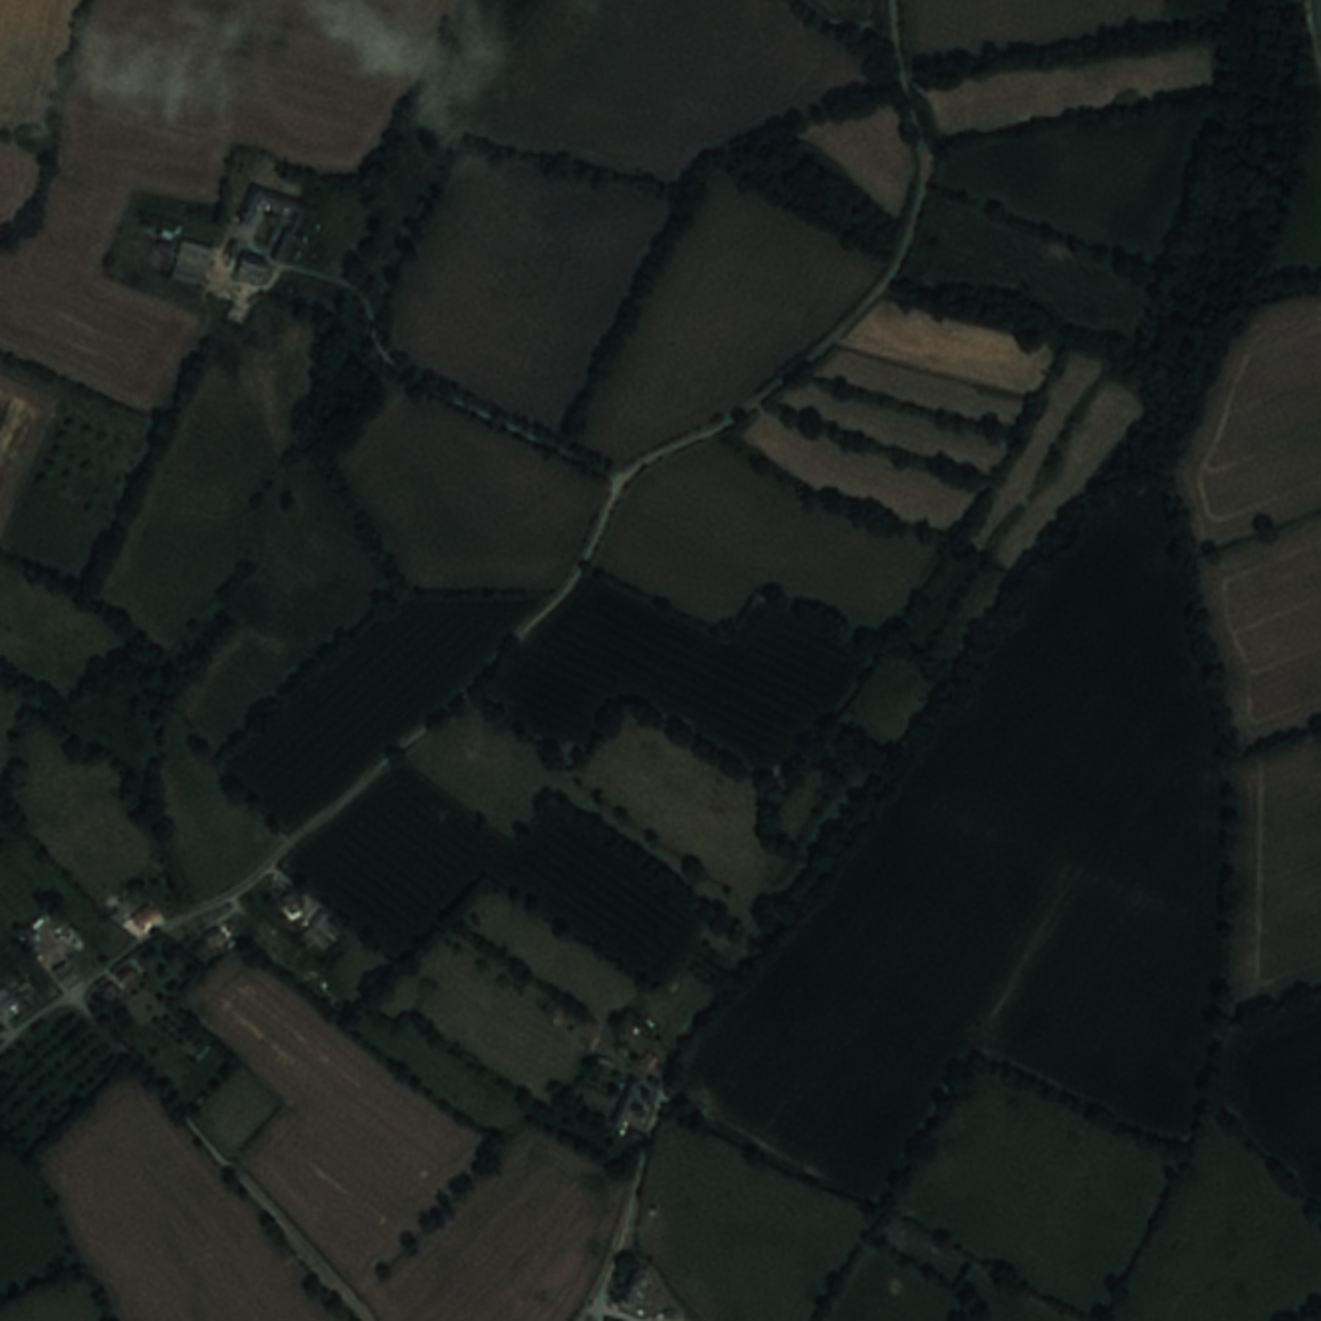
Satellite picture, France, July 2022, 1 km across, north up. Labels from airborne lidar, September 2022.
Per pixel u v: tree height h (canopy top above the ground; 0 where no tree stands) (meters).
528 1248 0
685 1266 0
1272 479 0
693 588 0
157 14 0
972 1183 0
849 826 13
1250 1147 11
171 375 0
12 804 16
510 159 8
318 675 11
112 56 0
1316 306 0
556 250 0
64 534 0
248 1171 0
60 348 0
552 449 12
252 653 0
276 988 0
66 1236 9
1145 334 14
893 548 0
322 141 0
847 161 0
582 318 0
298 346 0
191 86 0
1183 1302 0
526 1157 0
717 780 0
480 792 0
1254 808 0
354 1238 0
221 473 0
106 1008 8
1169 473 17
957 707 15
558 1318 0
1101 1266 0
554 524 0
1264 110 21
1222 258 13
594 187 11
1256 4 19
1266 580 0
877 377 0
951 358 0
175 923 0
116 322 0
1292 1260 0
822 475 0
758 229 0
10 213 0
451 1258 0
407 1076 11
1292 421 0
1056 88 0
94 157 0
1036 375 0
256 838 0
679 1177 0
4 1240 0
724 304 0
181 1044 6
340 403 19
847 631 21
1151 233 0
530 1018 0
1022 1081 15
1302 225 0
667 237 10
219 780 0
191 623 7
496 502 0
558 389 0
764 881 0
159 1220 0
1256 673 0
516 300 0
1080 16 0
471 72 0
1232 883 17
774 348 0
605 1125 8
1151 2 0
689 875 13
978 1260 7
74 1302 0
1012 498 0
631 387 0
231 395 0
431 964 0
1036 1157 0
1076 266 0
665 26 0
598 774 0
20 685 18
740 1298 0
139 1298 0
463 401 9
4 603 0
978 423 7
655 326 0
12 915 0
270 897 10
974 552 21
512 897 13
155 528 0
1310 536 0
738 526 0
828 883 15
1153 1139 14
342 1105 0
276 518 0
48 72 0
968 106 0
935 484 0
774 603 17
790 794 5
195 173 0
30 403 0
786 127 14
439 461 0
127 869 0
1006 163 0
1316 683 0
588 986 0
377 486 0
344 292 7
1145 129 0
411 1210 0
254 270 0
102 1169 0
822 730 15
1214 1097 13
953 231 0
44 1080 8
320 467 12
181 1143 0
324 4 0
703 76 0
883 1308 0
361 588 0
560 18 0
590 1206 0
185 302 0
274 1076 0
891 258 10
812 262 0
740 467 0
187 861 0
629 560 0
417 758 0
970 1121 0
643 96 0
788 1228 0
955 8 0
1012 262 0
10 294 0
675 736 17
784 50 0
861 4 0
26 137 17
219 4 0
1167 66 0
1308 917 0
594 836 12
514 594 6
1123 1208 0
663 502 0
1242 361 0
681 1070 15
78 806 0
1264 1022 17
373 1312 0
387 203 0
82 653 0
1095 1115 17
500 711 14
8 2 0
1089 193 0
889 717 0
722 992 10
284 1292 0
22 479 0
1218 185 27
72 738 12
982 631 17
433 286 0
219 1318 0
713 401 0
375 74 0
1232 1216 0
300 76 0
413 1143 0
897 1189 15
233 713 0
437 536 0
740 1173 0
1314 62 22
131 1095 0
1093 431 0
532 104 0
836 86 0
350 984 0
